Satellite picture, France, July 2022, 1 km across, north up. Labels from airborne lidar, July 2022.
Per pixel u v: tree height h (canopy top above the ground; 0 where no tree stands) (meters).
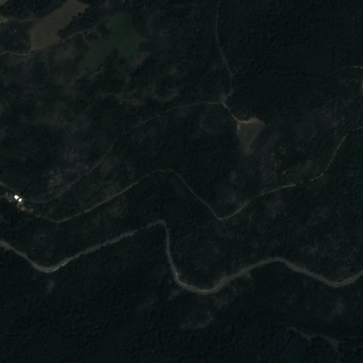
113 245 10
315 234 7
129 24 0
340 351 23
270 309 19
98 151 7
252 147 0
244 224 8
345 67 7
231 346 10
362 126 11
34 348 23
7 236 12
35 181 9
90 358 20
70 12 0
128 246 10
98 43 0
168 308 20
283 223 9
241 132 0
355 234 16
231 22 14
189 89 8
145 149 11
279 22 26
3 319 16
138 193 9
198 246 12
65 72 0
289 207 6
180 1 17
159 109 7
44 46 0
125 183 5
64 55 0
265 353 22
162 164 7
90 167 8
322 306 6
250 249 11
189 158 10
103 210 9
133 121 11
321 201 7
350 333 10
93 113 7
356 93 12
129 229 15
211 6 9
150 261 10
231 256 11
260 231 6
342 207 7
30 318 31
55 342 28
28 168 8
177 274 0
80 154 7
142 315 13
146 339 17
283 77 14
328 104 8
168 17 8
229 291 7
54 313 22
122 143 10
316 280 10
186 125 7
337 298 7
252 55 16
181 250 8
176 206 15
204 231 11
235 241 11
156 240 18
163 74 0
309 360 11
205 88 7
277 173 7
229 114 9
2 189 15
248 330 10
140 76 20
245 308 17
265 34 18
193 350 27
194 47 12
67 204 10
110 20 0
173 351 20
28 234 9
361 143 12
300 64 15
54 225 11
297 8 23
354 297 8
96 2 6
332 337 24
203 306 8
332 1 21
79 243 10
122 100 0
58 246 10
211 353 20
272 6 18
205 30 14
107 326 21
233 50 11
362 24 11
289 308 9
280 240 14
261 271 8
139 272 23
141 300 11
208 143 8
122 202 8
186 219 19
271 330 15
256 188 6
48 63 0
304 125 0
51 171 0
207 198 9
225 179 6
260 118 7
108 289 26
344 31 19
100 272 14
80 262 19
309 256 6
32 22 0
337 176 7
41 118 0
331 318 7
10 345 25
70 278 16
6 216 7
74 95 0
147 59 7
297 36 19
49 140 8
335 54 14
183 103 10
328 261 7
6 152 0
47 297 14
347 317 11
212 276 8
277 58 17
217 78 7
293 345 35
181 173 6
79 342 12
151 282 22
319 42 17
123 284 27
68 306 10
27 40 0
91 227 5
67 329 21
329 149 6
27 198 11
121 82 6
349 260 9
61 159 0
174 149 10
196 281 7
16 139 8
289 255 9
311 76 19
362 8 18
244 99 9
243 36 11
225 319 16
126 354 18
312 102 7
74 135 0
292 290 7
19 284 22
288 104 9
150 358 10
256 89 15
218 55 7
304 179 7
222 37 11
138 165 12
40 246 7
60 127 0
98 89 9
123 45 0
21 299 23
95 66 0
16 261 18
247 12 12
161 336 15
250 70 19
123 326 14
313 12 22
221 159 8
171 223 15
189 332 27
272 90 15
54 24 0
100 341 22
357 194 19
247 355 11
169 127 6
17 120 10
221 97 0
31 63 0
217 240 7
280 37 11
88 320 14
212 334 23
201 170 7
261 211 9
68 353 18
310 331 33
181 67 8
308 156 7
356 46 12
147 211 9
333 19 20
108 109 9
